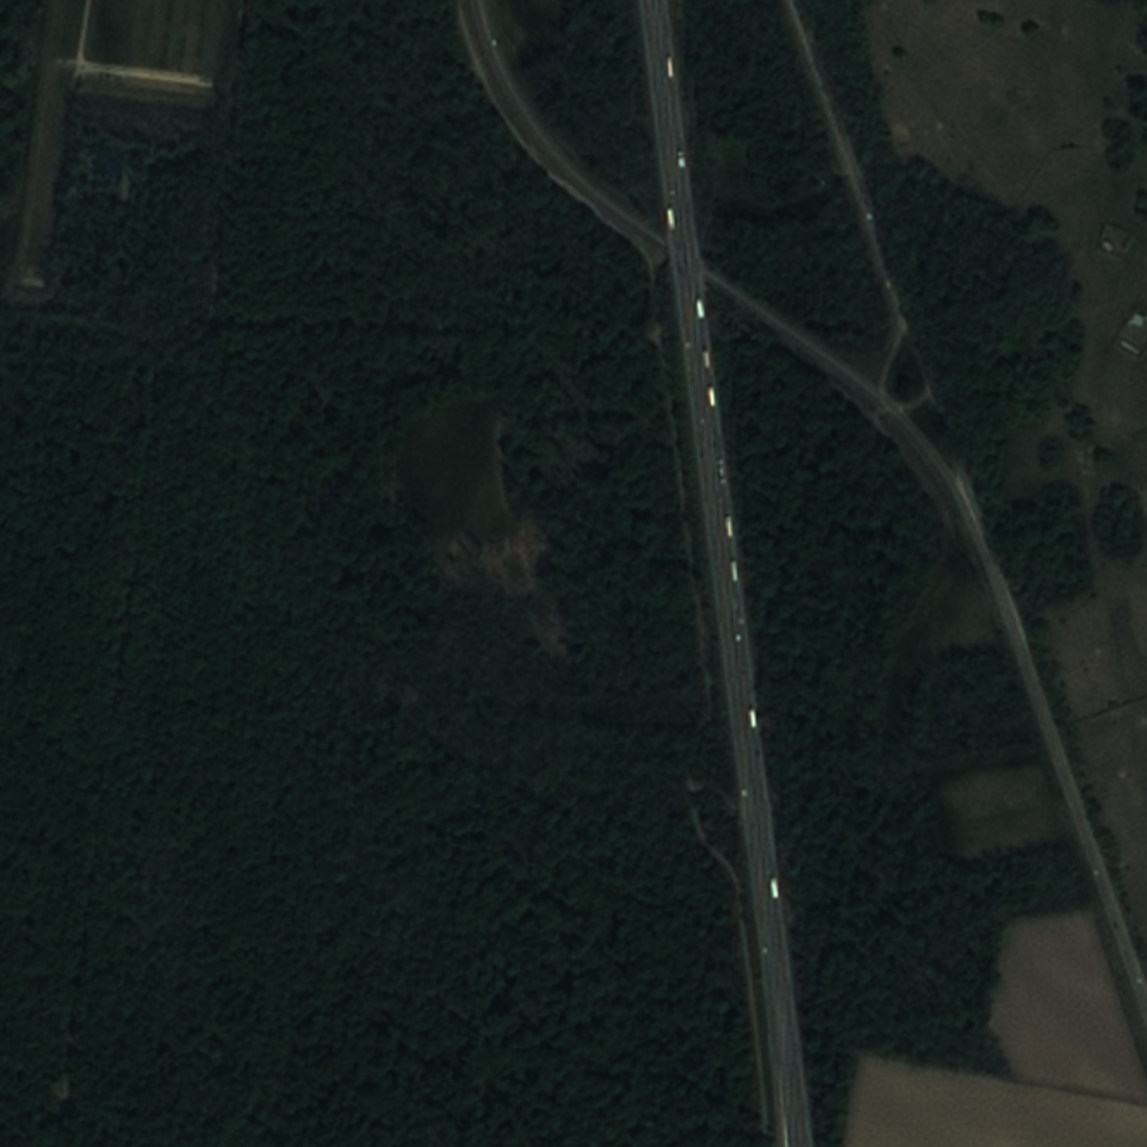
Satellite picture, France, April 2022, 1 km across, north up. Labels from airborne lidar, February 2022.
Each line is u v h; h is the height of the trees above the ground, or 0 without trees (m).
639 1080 20
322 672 23
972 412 27
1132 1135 0
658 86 0
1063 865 19
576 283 12
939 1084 0
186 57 0
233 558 15
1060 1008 0
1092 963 0
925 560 21
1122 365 0
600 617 27
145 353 18
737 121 11
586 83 23
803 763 14
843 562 21
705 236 14
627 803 20
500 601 15
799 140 10
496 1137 19
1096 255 0
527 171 16
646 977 19
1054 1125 0
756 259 15
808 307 16
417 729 25
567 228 20
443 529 0
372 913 23
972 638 0
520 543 20
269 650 18
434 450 0
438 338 20
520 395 16
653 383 25
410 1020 20
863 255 19
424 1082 17
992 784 0
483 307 20
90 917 19
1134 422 0
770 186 14
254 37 17
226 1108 21
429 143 16
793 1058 0
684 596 26
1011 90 0
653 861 23
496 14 0
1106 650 0
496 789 24
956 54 0
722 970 25
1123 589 0
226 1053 21
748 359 11
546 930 19
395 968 16
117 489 18
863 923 21
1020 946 0
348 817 21
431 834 19
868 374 0
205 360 19
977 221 25
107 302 20
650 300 16
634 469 21
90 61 0
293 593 20
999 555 18
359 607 22
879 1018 22
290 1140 20
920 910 22
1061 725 11
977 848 0
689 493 11
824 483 23
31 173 0
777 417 16
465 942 21
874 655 25
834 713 23
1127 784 0
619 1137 13
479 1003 19
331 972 21
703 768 19
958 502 0
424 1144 21
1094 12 0
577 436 19
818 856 19
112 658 14
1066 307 15
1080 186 0
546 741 27
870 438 21
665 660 21
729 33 15
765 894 0
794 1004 0
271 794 16
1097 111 0
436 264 23
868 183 14
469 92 13
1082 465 0
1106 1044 0
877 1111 0
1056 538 19
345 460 21
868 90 14
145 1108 22
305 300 20
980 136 0
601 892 21
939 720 25
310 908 20
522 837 19
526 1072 19
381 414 22
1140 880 0
